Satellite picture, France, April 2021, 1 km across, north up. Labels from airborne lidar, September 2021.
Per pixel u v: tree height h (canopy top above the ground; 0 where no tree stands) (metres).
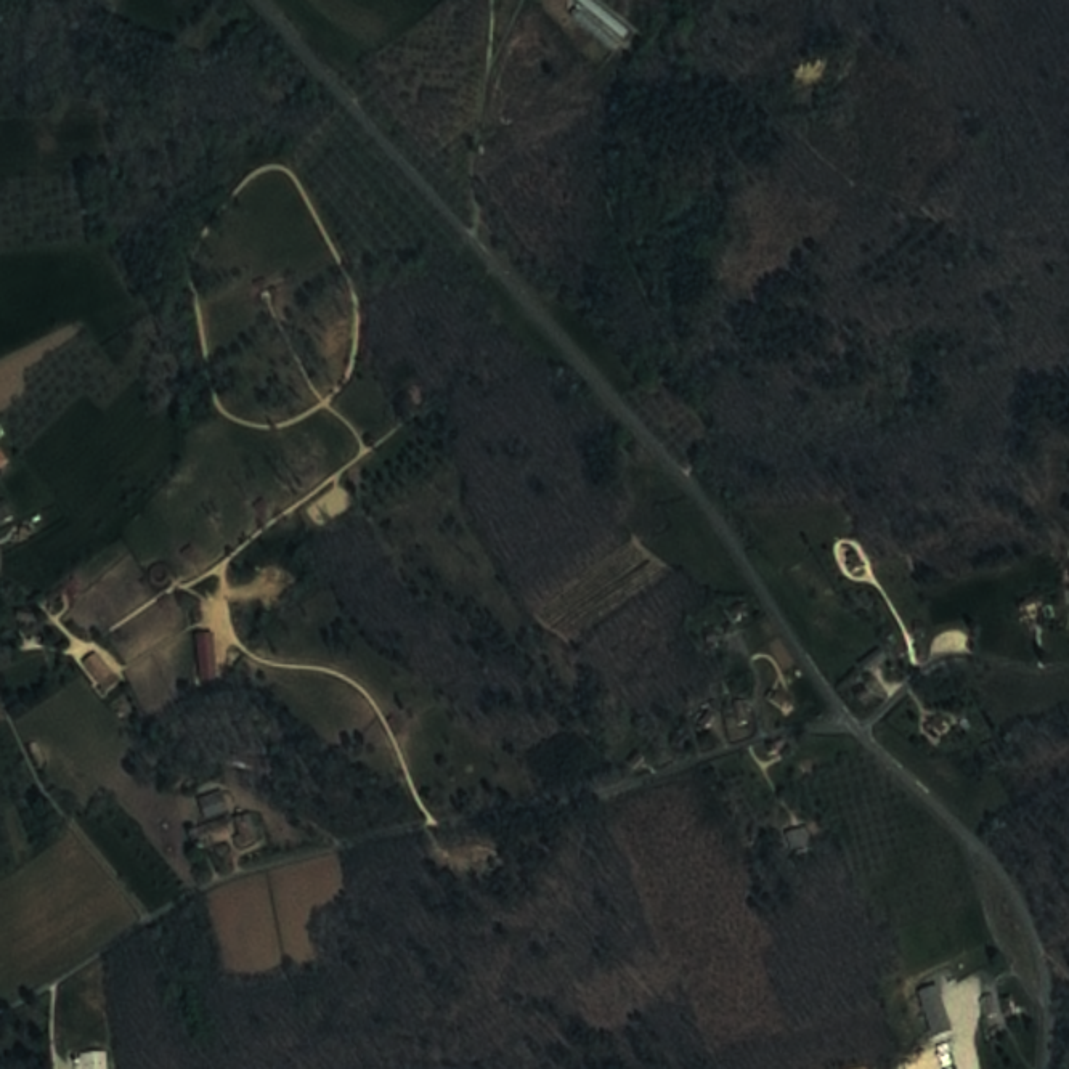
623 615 13
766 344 19
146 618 0
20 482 0
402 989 23
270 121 20
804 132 12
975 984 0
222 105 20
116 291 0
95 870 0
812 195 11
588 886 22
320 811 16
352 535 17
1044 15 14
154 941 16
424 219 10
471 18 14
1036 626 10
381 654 7
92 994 0
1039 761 22
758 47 12
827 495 15
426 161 12
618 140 23
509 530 16
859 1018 10
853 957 15
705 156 19
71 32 21
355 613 10
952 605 0
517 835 27
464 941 22
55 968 0
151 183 22
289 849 9
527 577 15
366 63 13
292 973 20
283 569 0
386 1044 21
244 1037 18
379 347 13
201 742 20
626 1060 17
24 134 0
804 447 28
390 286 16
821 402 17
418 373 13
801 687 0
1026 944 0
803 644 0
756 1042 8
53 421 10
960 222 11
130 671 0
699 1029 16
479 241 0
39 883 0
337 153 11
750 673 0
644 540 0
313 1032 17
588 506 18
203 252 23
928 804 0
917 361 8
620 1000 14
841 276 13
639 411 14
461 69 9
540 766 7
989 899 0
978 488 22
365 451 0
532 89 0
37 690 11
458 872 0
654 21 14
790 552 0
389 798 11
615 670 13
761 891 24
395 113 10
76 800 13
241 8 18
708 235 18
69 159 0
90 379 9
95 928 0
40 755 0
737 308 16
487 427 17
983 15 15
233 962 0
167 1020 16
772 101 11
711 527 0
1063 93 12
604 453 27
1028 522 27
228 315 0
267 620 14
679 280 18
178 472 14
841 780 9
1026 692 0
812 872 22
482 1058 11
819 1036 9
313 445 0
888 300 9
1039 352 22
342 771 24
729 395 18
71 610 0
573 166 9
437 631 13
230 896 0
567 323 0
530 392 14
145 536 0
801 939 18
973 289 13
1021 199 25
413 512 0
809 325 21
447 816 8
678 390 26
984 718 11
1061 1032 9
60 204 7
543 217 9
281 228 0
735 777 9
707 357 18
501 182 9
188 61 22
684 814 6
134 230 20
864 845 17
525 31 0
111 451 0
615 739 25
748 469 20
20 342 0
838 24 16
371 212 12
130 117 23
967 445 16
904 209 13
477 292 15
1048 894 16
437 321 15
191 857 14
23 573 0
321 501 0
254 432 0
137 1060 16
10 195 14
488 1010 16
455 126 9
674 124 29
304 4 0
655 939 18
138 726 8
